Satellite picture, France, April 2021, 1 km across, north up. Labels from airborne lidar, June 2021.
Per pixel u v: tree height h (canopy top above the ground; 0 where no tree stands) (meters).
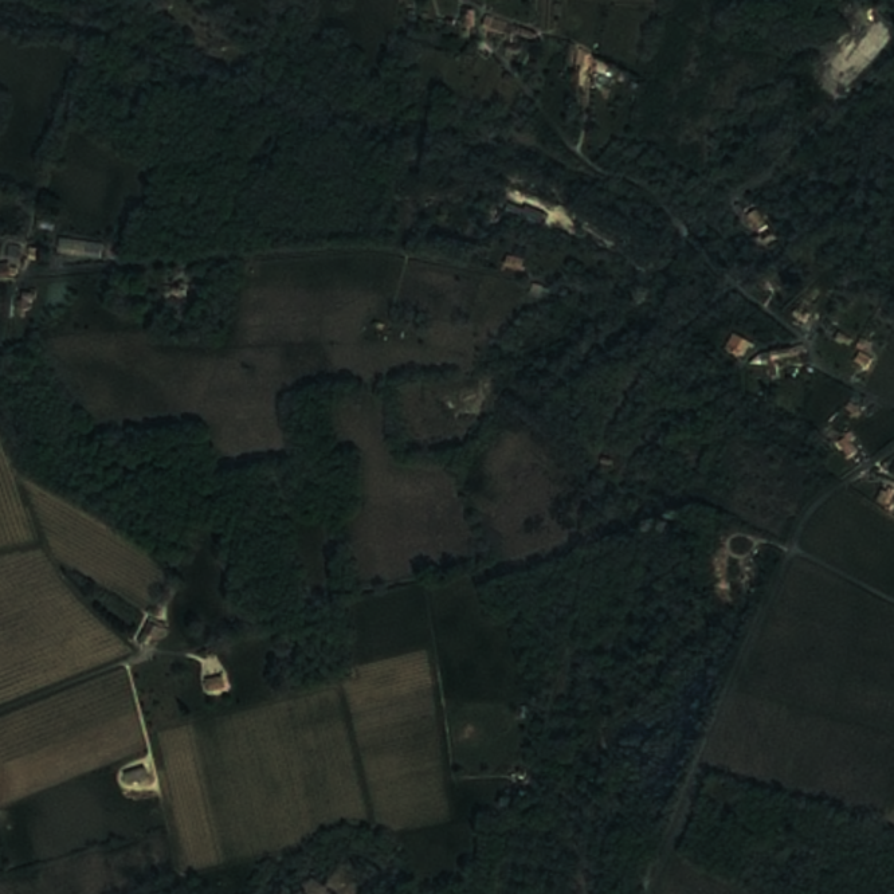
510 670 0
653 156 15
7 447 13
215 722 0
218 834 0
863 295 17
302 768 0
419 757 0
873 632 0
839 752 0
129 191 0
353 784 0
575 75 11
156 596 15
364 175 18
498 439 10
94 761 0
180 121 18
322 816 0
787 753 0
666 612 31
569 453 18
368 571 0
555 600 19
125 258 17
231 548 21
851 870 18
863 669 0
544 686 18
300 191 16
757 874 14
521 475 0
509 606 18
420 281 0
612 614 19
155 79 18
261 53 18
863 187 21
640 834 21
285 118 25
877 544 0
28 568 0
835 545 0
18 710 0
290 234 11
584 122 6
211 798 0
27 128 0
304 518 16
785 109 10
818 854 18
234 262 15
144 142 22
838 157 15
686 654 24
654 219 16
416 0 6
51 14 7
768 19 19
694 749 10
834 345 0
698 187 12
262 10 0
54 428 19
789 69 10
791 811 12
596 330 23
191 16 0
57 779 0
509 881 24
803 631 0
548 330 21
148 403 0
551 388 23
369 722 0
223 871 0
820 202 25
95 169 0
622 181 17
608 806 28
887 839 21
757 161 23
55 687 0
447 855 0
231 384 0
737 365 10
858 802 0
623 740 14
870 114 25
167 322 20
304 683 17
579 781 14
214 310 21
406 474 0
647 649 17
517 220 11
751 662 0
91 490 14
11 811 0
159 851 0
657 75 0
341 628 22
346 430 0
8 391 15
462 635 0
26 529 0
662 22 13
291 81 26
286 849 0
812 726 0
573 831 21
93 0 11
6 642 0
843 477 0
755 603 8
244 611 20
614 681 19
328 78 18
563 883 22
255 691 0
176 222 20
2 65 0
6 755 0
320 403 22
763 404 13
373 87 20
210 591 0
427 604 0
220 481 27
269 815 0
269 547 26
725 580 0
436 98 16
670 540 24
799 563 0
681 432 20
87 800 0
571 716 16
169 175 17
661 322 17
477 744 0
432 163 20
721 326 12
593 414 20
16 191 14
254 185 17
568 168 8
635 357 13
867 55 0
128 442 25
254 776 0
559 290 14
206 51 11
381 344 0
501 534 10
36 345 14
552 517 0
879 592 0
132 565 0
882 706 0
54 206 9
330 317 0
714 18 12
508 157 19
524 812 23
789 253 21
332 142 27
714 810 18
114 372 0
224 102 18
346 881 0
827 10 17
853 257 8
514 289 0
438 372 15
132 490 23
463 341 0
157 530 21
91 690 0
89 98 20
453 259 10
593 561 18
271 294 0
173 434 22
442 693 0
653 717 9
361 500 22
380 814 0
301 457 23
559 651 19
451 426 0
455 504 0
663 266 23
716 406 9
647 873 16
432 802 0
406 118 16
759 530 10
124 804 0
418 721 0
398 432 19
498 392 7
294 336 0
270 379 0
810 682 0
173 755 0
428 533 0
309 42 11
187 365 0
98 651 0
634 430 8
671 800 12
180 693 0
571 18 0
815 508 0
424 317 17
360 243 11
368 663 0
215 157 16
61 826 0
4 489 0
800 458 9
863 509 0
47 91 0
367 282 0
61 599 0
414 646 0
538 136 15
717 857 18
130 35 20
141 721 0
